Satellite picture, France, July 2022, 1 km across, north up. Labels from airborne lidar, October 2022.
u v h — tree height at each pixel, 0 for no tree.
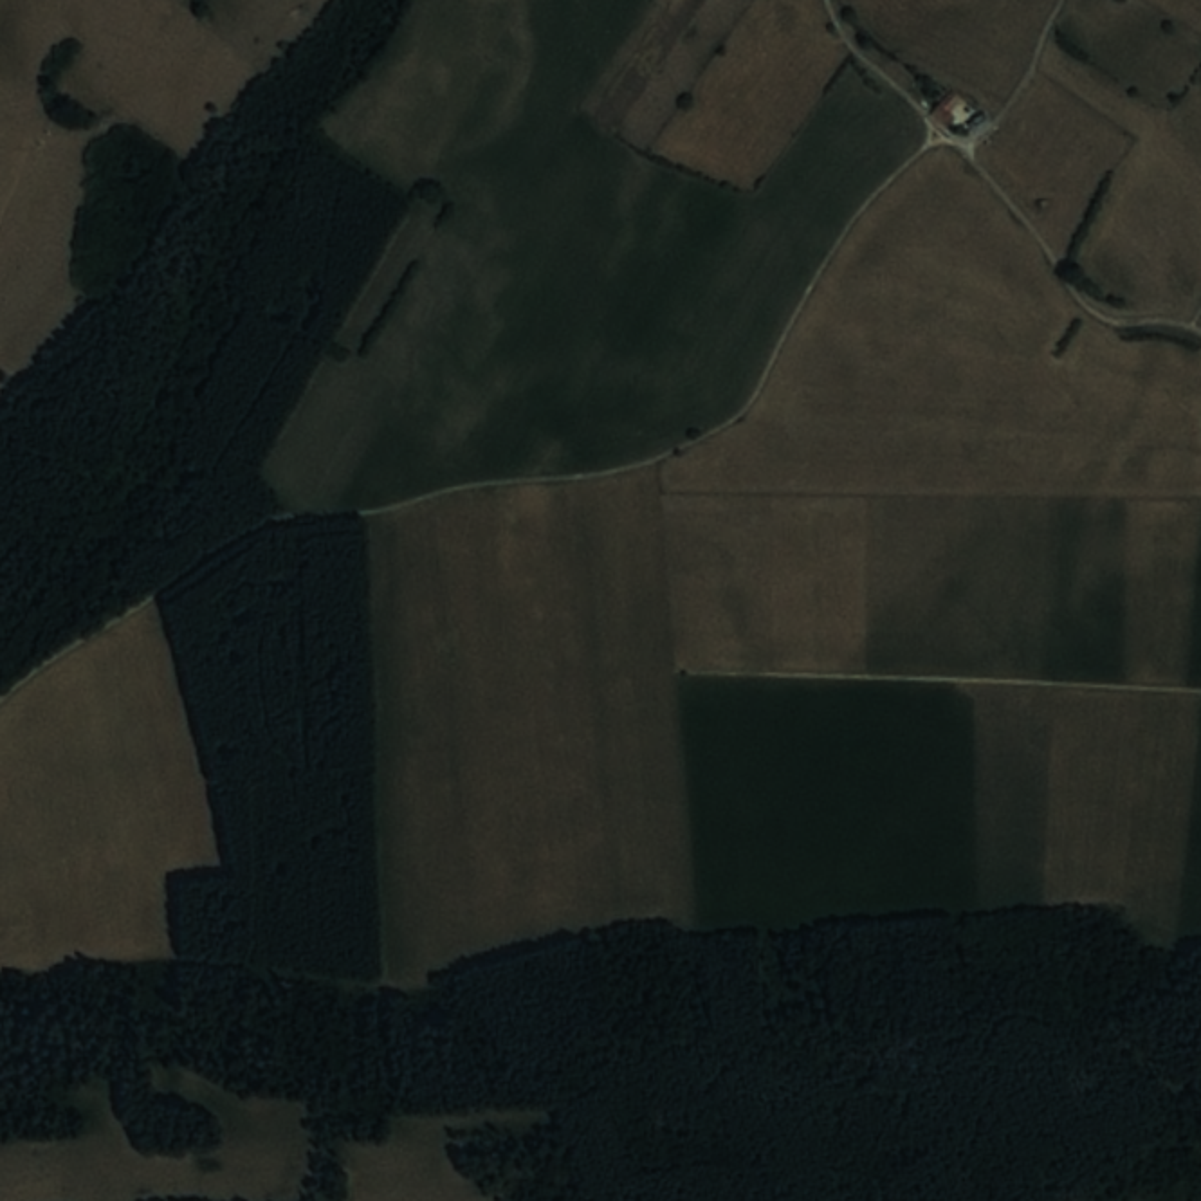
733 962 22
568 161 0
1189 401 0
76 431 23
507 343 0
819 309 0
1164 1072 20
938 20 0
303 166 20
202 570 21
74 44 9
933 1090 19
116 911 0
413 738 0
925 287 0
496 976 25
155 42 0
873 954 16
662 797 0
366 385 0
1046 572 0
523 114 0
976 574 0
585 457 0
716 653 0
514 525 0
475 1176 24
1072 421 0
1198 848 0
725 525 0
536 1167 22
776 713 0
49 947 0
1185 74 0
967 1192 19
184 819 0
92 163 8
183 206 25
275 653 25
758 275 0
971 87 0
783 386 0
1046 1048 17
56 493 23
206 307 17
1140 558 0
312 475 0
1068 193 0
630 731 0
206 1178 0
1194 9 0
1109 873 0
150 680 0
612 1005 15
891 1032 14
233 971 17
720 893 0
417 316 0
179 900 28
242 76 0
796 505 0
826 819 0
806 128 0
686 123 0
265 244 22
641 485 0
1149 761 0
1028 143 0
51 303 0
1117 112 0
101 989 24
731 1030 19
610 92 0
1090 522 0
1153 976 10
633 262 0
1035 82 0
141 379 23
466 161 0
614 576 0
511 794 0
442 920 0
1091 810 0
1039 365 0
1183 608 0
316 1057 16
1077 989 12
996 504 0
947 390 0
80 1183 0
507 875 0
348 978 21
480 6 0
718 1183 18
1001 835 0
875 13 0
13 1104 16
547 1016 25
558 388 0
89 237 10
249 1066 9
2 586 25
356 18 19
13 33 0
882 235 0
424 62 0
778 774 0
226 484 19
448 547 0
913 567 0
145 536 18
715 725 0
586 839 0
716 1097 22
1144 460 0
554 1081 22
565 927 0
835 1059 7
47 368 19
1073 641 0
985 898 0
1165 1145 6
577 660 0
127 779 0
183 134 0
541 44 0
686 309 0
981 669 0
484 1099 24
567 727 0
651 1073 17
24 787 0
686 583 0
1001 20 0
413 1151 0
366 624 23
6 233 0
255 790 20
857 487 0
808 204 0
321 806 22
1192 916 0
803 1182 14
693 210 0
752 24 0
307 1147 0
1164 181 0
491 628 0
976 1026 19
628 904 0
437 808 0
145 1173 0
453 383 0
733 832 0
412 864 0
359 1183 0
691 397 0
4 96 0
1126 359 0
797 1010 15
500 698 0
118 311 18
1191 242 0
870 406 0
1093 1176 20
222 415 23
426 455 0
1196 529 0
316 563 25
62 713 0
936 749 0
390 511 0
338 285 22
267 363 23
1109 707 0
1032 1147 22
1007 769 0
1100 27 0
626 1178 20
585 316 0
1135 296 0
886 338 0
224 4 0
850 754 0
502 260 0
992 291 0
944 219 0
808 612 0
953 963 12
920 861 0
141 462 24
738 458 0
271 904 21
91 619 23
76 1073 30
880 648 0
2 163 0
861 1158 19
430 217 0
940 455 0
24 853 0
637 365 0
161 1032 23
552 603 0
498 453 0
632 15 0
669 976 6
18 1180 0
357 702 26
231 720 26
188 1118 32
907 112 0
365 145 0
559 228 0
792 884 0
